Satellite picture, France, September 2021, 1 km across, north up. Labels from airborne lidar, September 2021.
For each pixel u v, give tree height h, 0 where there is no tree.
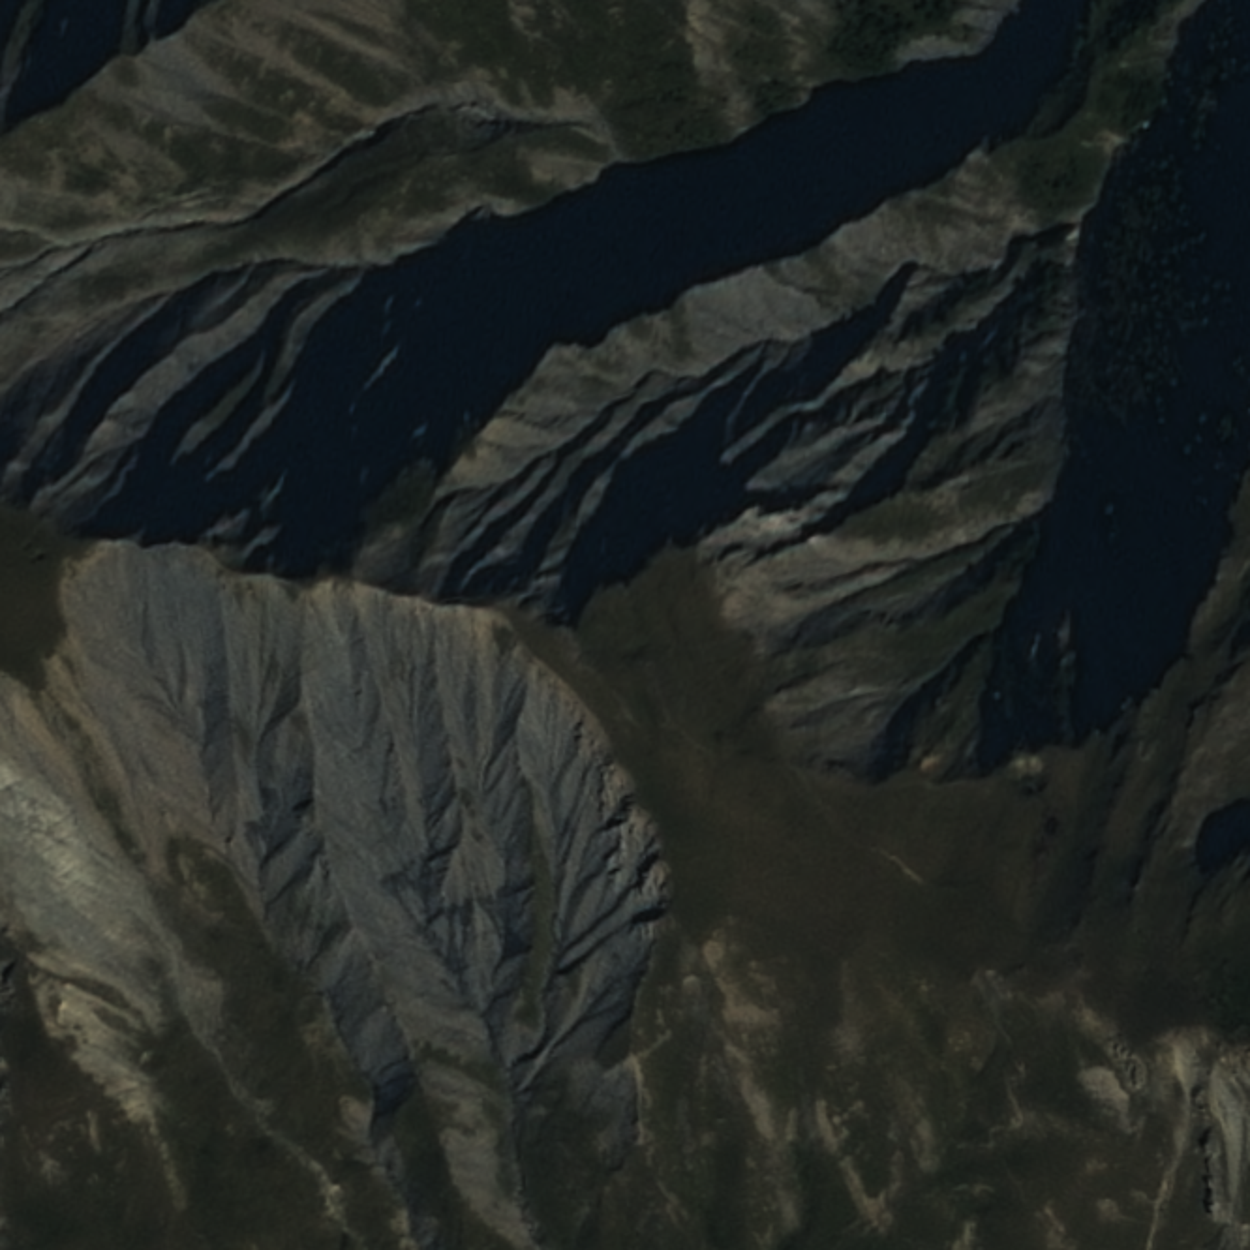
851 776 0
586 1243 0
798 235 0
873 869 0
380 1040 0
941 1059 0
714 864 0
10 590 0
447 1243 0
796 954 0
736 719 0
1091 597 0
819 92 0
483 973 0
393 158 0
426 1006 0
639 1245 0
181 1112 0
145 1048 0
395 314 0
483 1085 0
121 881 0
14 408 0
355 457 0
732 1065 0
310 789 0
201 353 0
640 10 0
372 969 0
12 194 0
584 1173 0
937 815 0
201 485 0
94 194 0
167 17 0
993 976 0
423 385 0
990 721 0
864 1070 0
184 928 0
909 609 0
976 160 0
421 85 0
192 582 0
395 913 0
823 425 0
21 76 0
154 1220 0
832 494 0
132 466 0
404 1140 0
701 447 0
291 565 0
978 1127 0
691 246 0
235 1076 0
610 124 0
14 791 0
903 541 0
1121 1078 0
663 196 0
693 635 0
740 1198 0
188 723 0
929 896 0
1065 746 0
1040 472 0
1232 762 0
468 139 0
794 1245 0
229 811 0
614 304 0
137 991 0
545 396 0
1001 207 0
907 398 0
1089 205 0
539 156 0
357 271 0
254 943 0
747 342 0
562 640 0
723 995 0
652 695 0
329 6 0
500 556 0
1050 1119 0
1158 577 0
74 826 0
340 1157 0
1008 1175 0
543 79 0
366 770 0
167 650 0
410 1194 0
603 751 0
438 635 0
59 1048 0
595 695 0
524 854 0
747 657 0
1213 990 0
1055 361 0
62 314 0
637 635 0
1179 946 0
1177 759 0
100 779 0
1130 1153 0
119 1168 0
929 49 0
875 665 0
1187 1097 0
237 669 0
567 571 0
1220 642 0
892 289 0
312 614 0
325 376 0
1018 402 0
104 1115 0
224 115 0
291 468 0
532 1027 0
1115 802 0
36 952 0
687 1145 0
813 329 0
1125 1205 0
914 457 0
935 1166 0
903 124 0
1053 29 0
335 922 0
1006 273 0
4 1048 0
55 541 0
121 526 0
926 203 0
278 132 0
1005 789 0
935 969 0
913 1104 0
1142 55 0
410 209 0
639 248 0
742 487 0
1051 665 0
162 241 0
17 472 0
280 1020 0
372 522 0
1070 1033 0
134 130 0
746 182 0
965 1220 0
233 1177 0
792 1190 0
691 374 0
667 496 0
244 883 0
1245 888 0
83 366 0
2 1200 0
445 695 0
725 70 0
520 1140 0
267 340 0
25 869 0
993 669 0
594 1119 0
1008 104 0
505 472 0
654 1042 0
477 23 0
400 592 0
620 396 0
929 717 0
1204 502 6
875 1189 0
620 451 0
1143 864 0
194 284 0
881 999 0
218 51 0
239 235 0
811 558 0
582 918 0
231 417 0
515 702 0
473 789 0
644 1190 0
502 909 0
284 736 0
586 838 0
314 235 0
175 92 0
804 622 0
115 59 0
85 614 0
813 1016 0
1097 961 0
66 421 0
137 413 0
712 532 0
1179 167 6
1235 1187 0
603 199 0
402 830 0
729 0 0
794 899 0
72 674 0
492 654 0
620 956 0
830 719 0
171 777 0
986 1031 0
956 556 0
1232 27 7
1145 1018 0
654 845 0
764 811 0
